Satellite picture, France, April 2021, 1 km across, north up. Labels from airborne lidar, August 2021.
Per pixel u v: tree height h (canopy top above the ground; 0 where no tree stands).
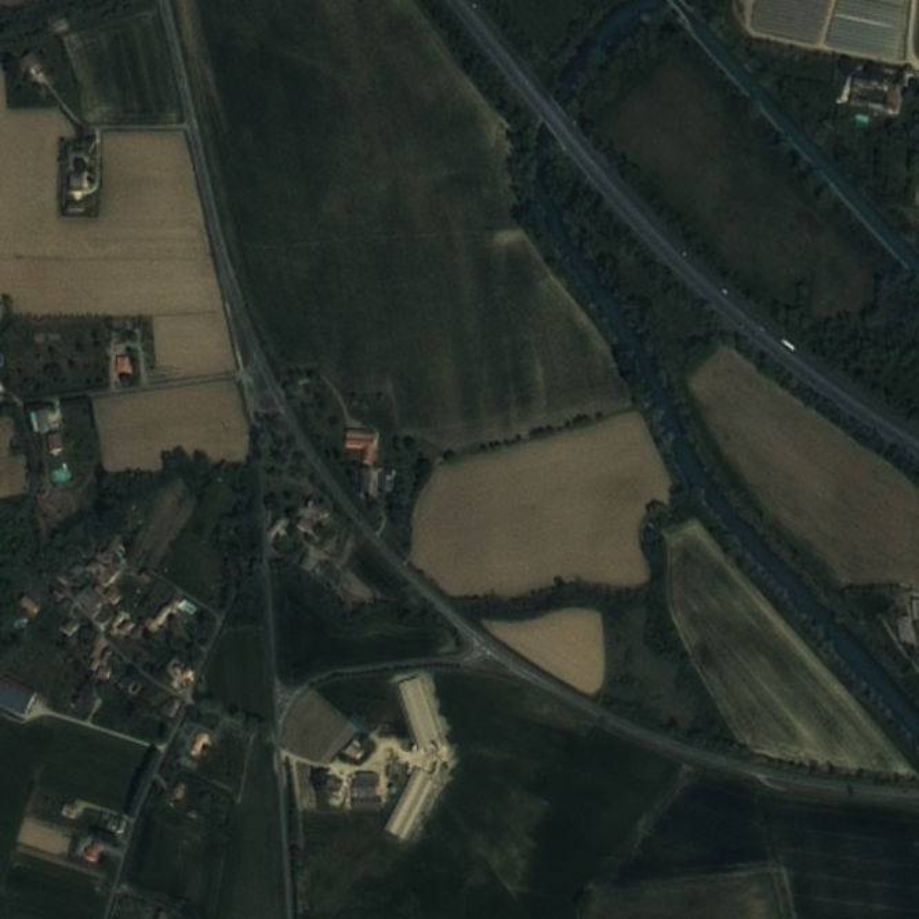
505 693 0
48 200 0
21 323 8
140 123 0
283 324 0
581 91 24
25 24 13
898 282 23
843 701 0
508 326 0
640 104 0
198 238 0
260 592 13
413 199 0
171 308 0
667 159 0
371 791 0
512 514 0
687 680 9
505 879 0
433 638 0
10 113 0
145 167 0
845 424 9
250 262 0
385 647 0
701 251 18
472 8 0
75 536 23
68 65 7
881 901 0
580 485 0
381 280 0
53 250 0
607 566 0
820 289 0
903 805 0
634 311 19
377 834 0
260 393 0
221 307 0
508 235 0
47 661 0
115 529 21
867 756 0
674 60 0
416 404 0
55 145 0
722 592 0
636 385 27
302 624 0
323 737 0
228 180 0
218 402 0
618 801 0
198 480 29
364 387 0
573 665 0
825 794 0
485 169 0
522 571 0
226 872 0
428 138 0
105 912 0
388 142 0
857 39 0
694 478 0
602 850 0
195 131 0
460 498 0
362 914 0
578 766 0
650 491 0
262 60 0
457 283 0
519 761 0
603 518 0
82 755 0
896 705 0
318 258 0
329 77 0
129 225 0
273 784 0
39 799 0
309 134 0
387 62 0
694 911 0
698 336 0
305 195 0
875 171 7
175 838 0
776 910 0
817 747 0
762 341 0
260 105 0
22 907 0
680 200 0
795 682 0
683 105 0
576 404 0
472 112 0
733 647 0
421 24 0
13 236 0
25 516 16
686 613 0
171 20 0
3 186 0
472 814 0
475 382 0
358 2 0
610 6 11
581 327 0
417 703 0
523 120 18
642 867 0
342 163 0
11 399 17
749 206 0
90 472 0
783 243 0
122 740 0
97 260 0
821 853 0
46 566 21
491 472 0
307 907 0
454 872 0
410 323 0
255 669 0
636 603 8
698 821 0
